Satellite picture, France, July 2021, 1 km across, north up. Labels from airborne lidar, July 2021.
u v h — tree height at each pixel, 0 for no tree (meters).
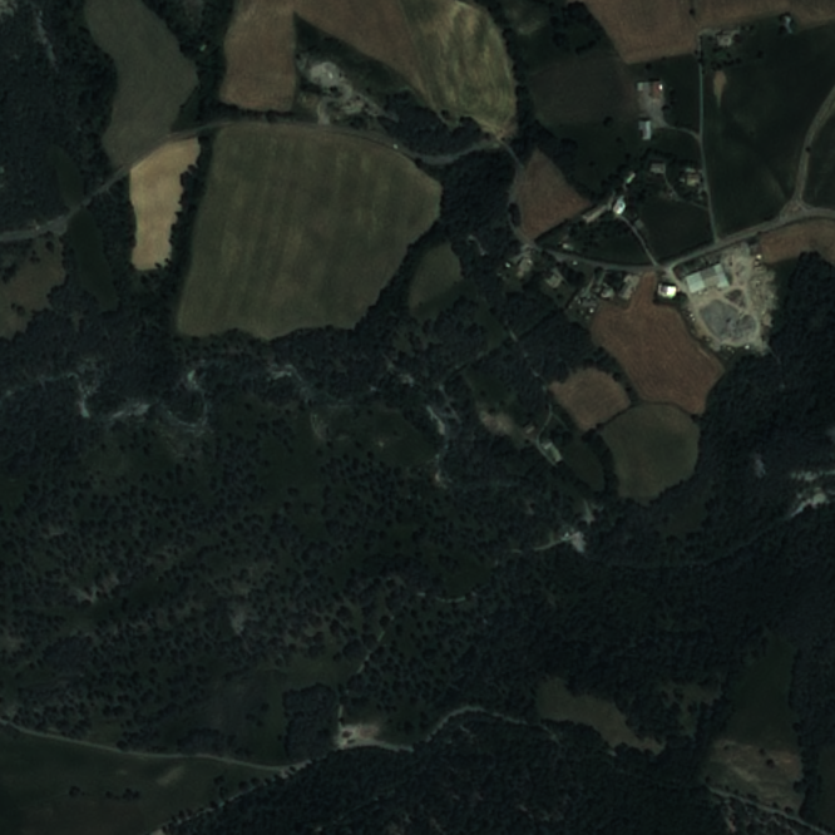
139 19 0
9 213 10
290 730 13
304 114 0
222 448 12
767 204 0
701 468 13
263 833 12
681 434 0
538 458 10
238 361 15
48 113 12
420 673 15
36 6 11
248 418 0
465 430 10
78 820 0
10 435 12
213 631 13
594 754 17
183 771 0
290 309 0
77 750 0
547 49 0
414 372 15
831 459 13
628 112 0
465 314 17
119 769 0
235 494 12
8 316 0
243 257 0
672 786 10
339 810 15
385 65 0
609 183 10
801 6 0
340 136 0
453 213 18
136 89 0
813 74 0
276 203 0
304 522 0
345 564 0
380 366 15
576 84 0
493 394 0
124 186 22
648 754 15
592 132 0
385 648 14
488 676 17
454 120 0
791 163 0
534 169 0
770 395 10
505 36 10
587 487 16
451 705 10
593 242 8
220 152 0
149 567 11
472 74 0
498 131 0
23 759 0
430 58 0
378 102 0
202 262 0
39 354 18
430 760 16
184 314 0
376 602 15
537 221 0
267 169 0
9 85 9
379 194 0
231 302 0
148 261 0
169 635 13
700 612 20
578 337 15
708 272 0
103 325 15
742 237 0
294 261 0
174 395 17
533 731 14
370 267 0
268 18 0
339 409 0
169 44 0
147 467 0
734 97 0
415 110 14
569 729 19
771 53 0
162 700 15
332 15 0
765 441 17
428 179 0
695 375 0
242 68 0
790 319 8
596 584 11
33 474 16
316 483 0
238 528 12
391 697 23
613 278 9
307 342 13
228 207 0
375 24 0
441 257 0
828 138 0
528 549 15
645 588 15
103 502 9
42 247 0
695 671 23
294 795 10
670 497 15
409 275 14
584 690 18
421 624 14
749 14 0
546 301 15
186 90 0
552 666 25
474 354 15
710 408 6
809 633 18
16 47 9
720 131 0
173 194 0
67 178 0
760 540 9
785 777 0
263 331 0
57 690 8
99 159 14
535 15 0
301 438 0
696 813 15
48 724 11
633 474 0
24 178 8
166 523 0
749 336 0
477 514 9
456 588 0
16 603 6
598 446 19
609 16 0
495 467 16
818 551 13
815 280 14
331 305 0
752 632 23
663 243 0
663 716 22
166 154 0
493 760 29
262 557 7
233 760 0
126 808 0
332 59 0
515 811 19
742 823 18
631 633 17
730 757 0
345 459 10
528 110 15
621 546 16
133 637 13
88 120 16
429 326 15
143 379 18
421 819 20
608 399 0
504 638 23
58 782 0
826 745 12
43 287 0
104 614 0
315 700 18
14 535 16
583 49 12
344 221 0
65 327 20
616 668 24
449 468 9
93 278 0
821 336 17
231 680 9
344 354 12
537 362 13
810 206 0
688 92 0
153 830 0
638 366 0
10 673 0
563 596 7
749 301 0
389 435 0
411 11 0
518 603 21
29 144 13
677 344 0
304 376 11
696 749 24
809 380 13
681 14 0
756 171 0
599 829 14
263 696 0
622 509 14
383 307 12
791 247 0
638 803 13
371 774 14
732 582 17
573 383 0
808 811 17
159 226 0
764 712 0
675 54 0
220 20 12
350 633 16
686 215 0
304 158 0
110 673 16
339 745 0
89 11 0
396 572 6
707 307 0
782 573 20
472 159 17
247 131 0
